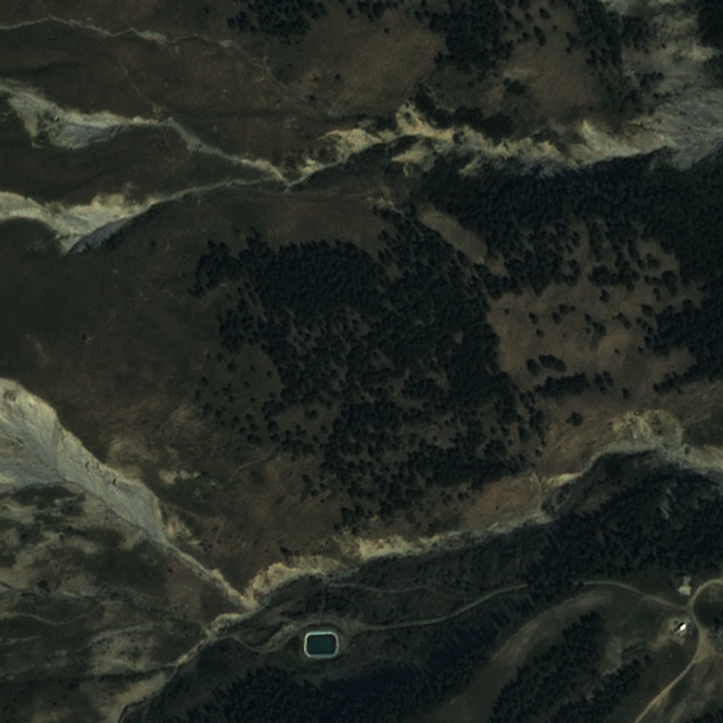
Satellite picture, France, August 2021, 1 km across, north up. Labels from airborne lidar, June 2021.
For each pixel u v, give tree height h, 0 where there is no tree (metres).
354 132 0
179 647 0
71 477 0
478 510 0
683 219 9
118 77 0
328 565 0
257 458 0
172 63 0
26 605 0
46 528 0
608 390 8
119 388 0
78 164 0
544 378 0
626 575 14
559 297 0
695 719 0
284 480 0
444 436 0
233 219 0
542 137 7
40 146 0
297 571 0
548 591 19
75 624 0
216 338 0
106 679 6
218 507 0
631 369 0
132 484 0
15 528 0
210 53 0
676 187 10
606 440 0
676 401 0
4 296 0
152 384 0
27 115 0
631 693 20
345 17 0
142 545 0
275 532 0
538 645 0
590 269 0
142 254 0
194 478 0
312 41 0
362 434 21
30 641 0
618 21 14
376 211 8
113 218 0
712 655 0
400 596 0
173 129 0
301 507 0
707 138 0
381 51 0
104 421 0
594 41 9
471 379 25
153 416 0
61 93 0
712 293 13
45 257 0
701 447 0
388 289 28
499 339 23
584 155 0
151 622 0
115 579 0
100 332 0
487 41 24
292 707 19
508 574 0
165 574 0
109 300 0
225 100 0
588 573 16
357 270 24
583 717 19
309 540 0
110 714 0
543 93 0
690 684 0
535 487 0
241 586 0
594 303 0
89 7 0
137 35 0
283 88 0
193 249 0
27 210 0
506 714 18
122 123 0
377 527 0
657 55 0
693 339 24
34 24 0
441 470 27
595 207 23
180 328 0
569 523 0
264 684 18
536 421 14
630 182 21
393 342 15
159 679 0
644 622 0
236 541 0
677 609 0
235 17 0
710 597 0
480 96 0
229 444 0
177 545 0
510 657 0
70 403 0
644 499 23
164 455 0
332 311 23
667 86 0
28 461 0
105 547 0
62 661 0
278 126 0
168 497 0
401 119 0
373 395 16
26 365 0
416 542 0
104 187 0
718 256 19
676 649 0
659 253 0
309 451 13
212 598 0
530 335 0
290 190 0
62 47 0
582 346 0
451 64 16
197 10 0
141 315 0
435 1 0
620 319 8
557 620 0
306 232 0
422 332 15
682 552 10
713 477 0
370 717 20
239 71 0
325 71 0
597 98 0
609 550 9
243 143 0
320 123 0
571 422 8
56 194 0
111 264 0
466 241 0
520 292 28
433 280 25
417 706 17
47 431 0
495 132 7
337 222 0
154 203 0
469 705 0
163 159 0
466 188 6
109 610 0
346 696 15
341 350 13
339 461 20
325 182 0
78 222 0
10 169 0
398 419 22
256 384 0
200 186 0
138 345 0
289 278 27
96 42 0
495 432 15
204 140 0
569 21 0
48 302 0
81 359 0
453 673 25
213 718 9
